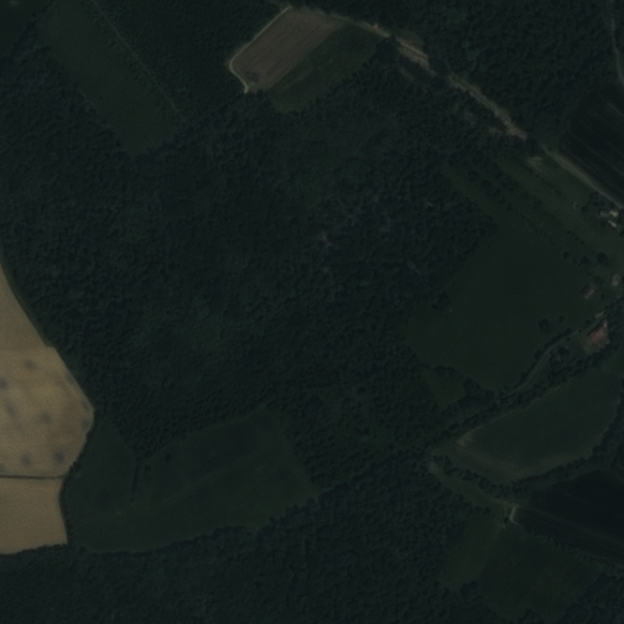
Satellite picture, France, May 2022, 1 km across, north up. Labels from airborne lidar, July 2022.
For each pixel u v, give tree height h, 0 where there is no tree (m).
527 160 0
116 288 30
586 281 0
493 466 0
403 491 30
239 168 21
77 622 21
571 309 0
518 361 0
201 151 25
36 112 24
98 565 21
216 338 26
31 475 0
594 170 0
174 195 29
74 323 28
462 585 0
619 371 0
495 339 0
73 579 23
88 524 0
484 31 29
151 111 0
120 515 0
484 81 30
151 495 0
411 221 31
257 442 0
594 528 0
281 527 18
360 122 26
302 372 10
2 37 0
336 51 0
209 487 0
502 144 18
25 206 27
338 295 21
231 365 20
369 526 25
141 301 10
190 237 29
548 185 7
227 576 28
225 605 28
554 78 25
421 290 31
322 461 13
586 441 0
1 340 0
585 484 0
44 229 30
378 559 27
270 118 19
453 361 0
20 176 27
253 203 29
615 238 0
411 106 13
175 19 14
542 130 31
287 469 0
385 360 24
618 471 0
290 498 0
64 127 27
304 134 20
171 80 14
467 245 32
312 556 29
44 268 26
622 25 25
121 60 8
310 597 26
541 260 0
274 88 0
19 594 20
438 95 7
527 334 0
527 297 0
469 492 0
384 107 21
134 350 21
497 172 23
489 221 23
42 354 0
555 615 0
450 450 0
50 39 0
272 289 22
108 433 0
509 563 0
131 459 0
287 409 11
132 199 32
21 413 0
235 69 0
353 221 10
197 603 25
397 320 32
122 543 0
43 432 0
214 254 27
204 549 20
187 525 0
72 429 0
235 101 17
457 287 0
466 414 21
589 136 0
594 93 0
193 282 27
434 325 0
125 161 28
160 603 25
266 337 33
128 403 24
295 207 30
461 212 29
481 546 0
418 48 0
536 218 0
